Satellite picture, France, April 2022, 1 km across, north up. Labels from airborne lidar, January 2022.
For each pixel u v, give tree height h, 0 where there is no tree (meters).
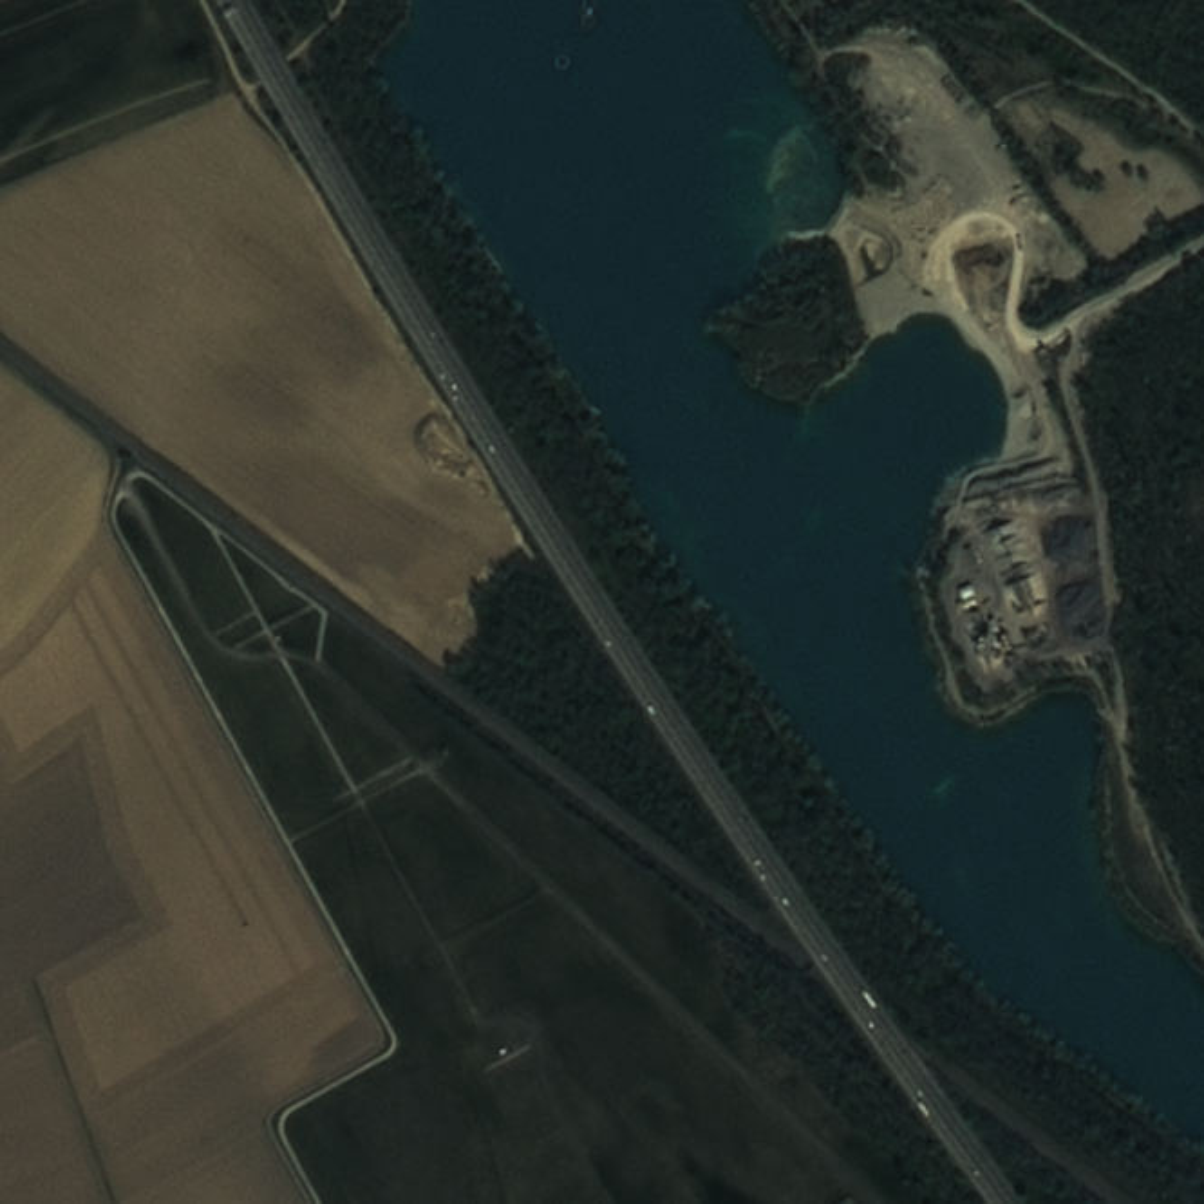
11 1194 0
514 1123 0
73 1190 0
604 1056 0
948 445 0
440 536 0
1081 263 0
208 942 0
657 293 0
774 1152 0
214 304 0
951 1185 15
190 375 0
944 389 0
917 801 0
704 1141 0
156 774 0
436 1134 0
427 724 0
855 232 0
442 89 0
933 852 0
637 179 0
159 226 0
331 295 0
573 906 0
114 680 0
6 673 0
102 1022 0
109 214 0
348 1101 0
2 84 0
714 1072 0
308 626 0
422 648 0
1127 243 0
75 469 0
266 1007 0
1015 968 0
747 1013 14
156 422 0
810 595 0
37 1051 0
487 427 0
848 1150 0
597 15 0
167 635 0
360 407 0
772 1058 0
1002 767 0
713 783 0
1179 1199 10
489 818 0
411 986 0
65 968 0
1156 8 18
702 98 0
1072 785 0
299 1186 0
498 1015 0
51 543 0
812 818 20
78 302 0
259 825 0
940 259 0
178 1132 0
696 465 0
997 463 0
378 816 0
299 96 0
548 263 0
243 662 0
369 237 0
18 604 0
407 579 0
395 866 0
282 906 0
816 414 0
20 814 0
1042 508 0
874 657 0
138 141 0
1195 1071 0
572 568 0
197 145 0
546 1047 0
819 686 0
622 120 0
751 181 0
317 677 0
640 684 0
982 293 0
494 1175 0
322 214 0
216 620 0
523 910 0
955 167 0
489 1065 0
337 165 0
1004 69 0
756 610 0
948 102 0
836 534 0
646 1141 0
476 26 0
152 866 0
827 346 0
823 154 0
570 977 0
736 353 0
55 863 0
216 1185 0
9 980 0
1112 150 0
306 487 0
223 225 0
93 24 0
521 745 0
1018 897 0
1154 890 0
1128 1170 8
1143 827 0
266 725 0
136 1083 0
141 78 0
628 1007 0
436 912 0
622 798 8
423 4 0
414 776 0
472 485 0
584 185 0
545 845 0
